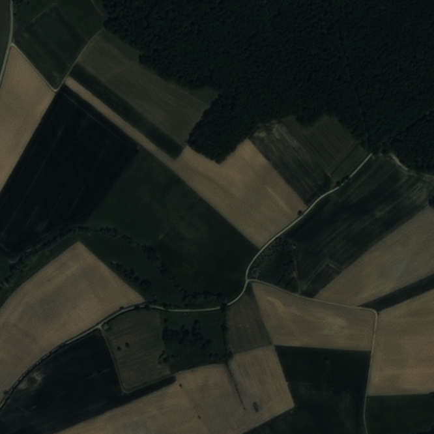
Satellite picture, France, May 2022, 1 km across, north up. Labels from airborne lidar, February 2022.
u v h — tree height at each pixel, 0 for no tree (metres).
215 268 0
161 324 0
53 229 0
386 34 20
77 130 0
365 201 0
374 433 0
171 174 0
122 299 0
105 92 0
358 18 21
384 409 0
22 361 0
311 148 0
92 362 0
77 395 0
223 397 0
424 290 0
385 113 18
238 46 22
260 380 0
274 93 20
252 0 18
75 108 0
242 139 12
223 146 21
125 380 0
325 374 0
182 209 0
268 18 15
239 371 0
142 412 0
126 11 26
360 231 0
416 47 23
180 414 0
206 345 12
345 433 0
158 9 30
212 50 21
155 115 0
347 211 0
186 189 0
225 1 19
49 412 0
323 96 20
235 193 0
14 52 0
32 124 0
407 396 0
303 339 0
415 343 0
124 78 0
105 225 0
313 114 18
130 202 0
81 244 0
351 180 11
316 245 0
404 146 22
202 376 0
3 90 0
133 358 0
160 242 0
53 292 0
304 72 22
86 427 0
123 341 0
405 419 0
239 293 0
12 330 0
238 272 0
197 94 0
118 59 0
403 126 18
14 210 0
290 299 0
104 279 0
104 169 0
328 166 0
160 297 0
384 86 18
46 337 0
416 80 23
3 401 0
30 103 0
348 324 0
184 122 0
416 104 20
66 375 0
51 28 0
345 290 0
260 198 0
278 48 17
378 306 0
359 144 0
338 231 0
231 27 24
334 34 21
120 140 0
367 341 0
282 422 0
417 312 0
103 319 0
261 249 0
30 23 0
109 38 0
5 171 0
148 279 0
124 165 0
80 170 0
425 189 0
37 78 0
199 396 0
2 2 0
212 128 22
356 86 18
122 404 0
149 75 0
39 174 0
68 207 0
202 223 0
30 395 0
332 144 0
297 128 0
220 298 14
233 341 0
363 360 0
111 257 0
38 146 0
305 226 0
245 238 0
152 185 0
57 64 0
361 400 0
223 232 0
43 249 18
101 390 0
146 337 0
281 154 0
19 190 0
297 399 0
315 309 0
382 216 0
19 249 0
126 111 0
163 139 0
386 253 0
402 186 0
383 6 23
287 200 0
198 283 0
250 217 0
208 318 0
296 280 0
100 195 0
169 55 23
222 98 17
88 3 0
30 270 0
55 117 0
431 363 0
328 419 0
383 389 0
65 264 0
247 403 0
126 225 0
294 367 0
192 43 23
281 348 0
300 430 0
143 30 26
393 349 0
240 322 0
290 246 10
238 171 0
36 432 0
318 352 0
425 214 0
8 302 0
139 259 0
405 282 0
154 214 0
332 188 0
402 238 0
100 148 0
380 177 0
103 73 0
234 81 22
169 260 0
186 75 20
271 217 0
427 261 0
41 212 0
